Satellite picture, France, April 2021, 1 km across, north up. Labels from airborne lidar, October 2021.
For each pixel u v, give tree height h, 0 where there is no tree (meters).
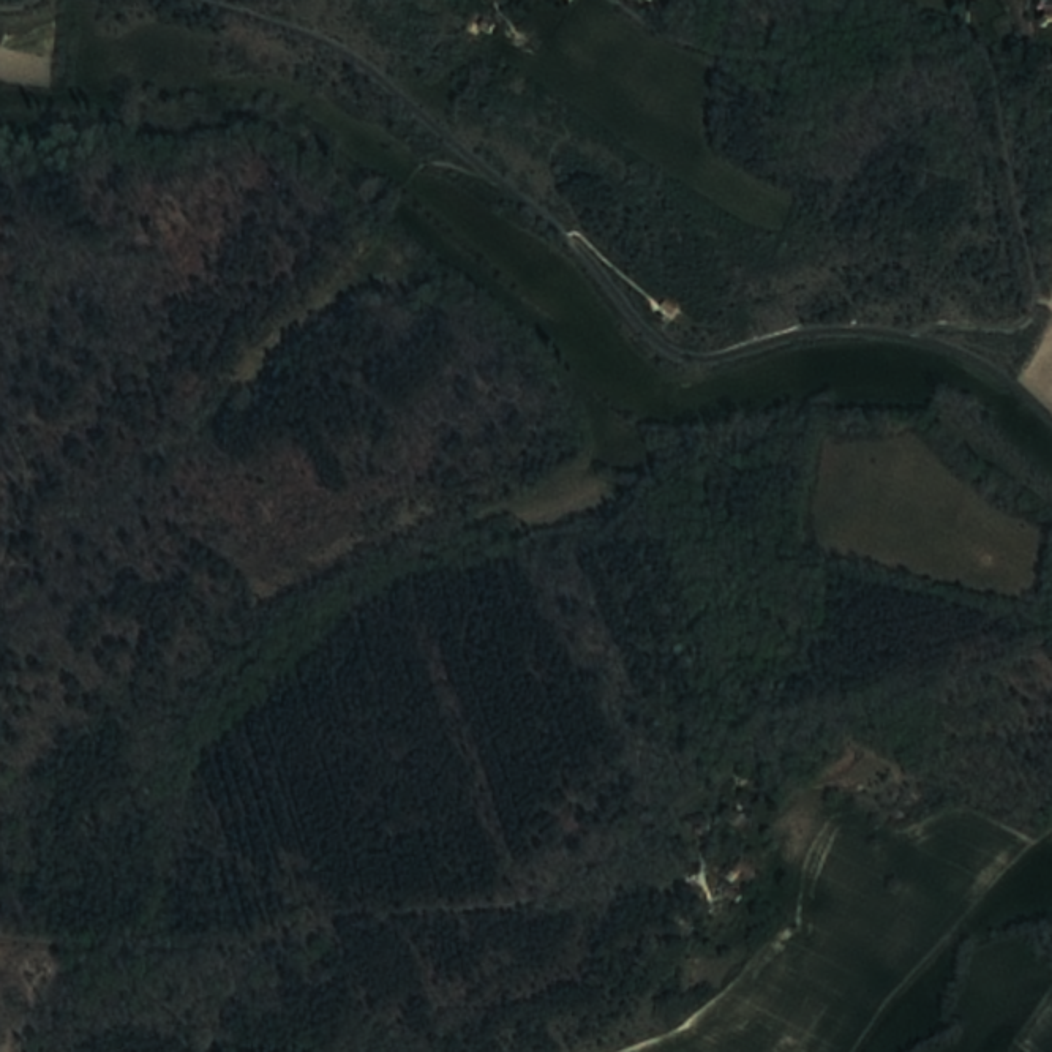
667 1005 16
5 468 16
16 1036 0
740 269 10
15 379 13
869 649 24
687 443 20
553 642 22
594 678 13
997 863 0
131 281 19
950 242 6
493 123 14
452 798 24
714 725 19
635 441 0
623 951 8
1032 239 16
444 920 15
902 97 19
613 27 0
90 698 9
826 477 0
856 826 0
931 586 13
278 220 13
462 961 16
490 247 0
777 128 15
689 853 23
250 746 18
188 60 0
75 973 13
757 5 18
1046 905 0
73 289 14
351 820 22
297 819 17
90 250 20
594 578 24
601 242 12
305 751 20
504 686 23
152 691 8
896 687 19
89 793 28
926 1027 0
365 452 15
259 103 13
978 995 0
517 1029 9
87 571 21
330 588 27
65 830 22
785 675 15
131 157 18
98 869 20
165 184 15
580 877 20
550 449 19
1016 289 8
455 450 22
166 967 26
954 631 19
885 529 0
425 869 22
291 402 29
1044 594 19
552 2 8
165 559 16
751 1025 0
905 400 0
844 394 0
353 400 26
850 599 18
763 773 22
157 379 21
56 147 27
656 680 20
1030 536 0
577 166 6
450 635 22
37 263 17
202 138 22
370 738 21
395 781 19
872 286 16
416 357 25
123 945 21
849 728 23
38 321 20
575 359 0
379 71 0
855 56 21
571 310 0
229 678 23
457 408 15
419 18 5
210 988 21
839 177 19
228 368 22
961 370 0
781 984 0
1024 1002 0
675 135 0
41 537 9
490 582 22
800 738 26
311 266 19
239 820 13
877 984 0
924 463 0
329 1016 26
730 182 0
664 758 16
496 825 14
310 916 7
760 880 16
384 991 22
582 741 23
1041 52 18
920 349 0
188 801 9
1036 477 38
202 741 22
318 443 25
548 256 0
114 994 24
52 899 20
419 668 22
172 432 17
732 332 0
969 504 0
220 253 9
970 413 42
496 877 22
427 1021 20
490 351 20
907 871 0
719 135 15
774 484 26
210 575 14
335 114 0
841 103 21
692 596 24
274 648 27
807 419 19
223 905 12
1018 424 0
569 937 15
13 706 20
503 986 11
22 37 0
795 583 26
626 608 20
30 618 16
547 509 0
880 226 11
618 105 0
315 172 24
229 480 9
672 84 0
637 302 0
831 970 0
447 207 0
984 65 25
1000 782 27
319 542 6
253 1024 23
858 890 0
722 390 0
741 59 16
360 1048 20
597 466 8
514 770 20
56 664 17
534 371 16
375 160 0
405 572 21
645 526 16
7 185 17
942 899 0
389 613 22
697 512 23
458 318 21
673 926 18
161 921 13
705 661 25
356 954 17
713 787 23
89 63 0
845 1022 0
